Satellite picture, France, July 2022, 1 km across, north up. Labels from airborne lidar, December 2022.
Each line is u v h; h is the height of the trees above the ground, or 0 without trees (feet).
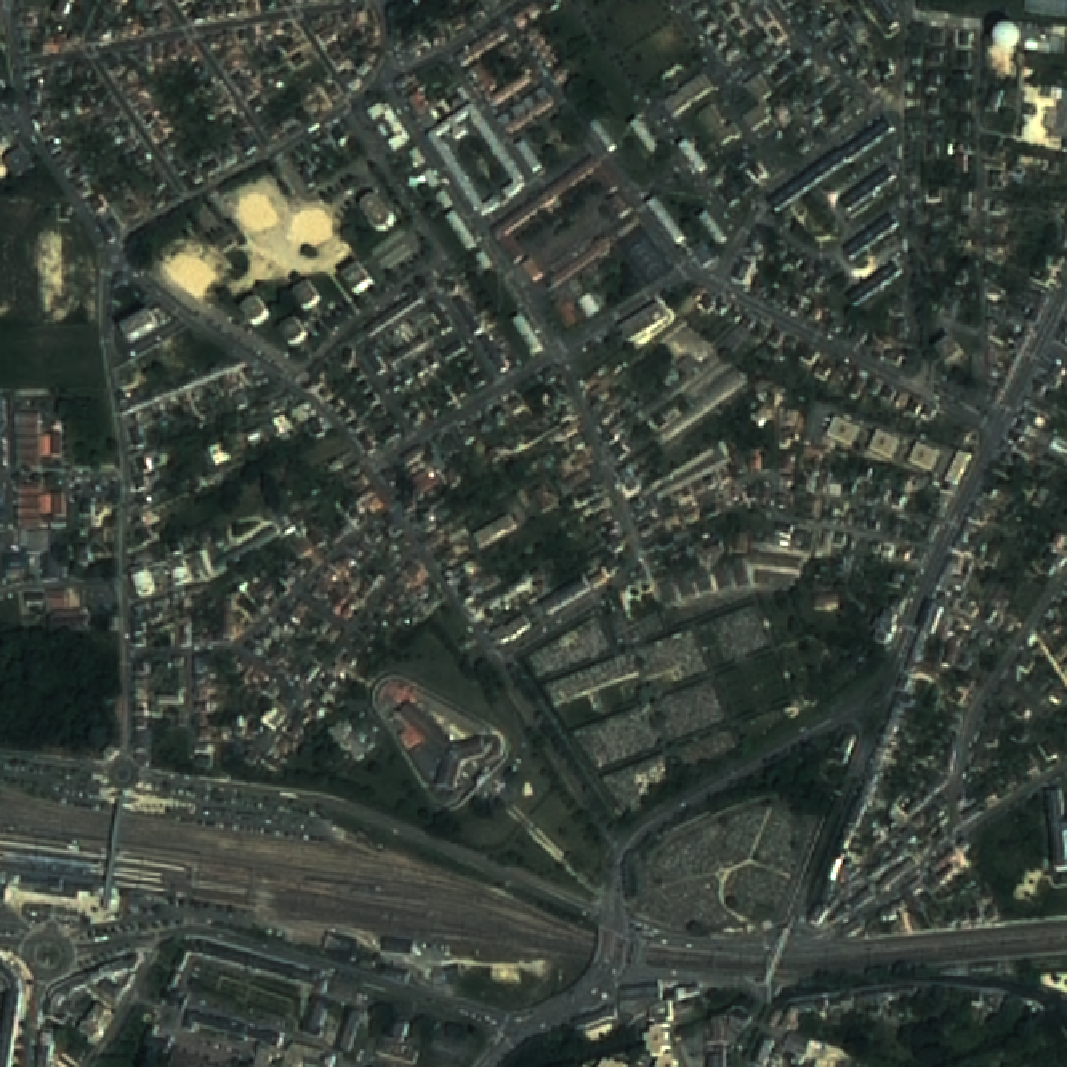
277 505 53
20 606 0
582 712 0
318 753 35
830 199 0
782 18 0
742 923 0
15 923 0
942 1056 50
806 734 0
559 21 0
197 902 18
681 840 0
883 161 0
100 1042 0
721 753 0
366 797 37
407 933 0
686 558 32
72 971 0
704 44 0
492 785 0
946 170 18
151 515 0
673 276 0
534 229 28
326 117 0
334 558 0
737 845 0
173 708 19
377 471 0
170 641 18
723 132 0
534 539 0
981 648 42
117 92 0
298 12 0
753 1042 26
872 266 0
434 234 0
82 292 0
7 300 0
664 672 0
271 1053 0
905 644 0
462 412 0
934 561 0
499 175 26
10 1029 0
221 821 0
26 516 0
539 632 0
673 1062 0
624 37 0
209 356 0
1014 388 0
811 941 0
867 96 0
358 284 0
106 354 0
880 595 22
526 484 49
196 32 0
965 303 31
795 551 0
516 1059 43
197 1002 0
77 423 51
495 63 29
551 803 0
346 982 27
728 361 49
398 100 0
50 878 0
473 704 0
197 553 27
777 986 0
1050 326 0
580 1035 49
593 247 0
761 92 0
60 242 0
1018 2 0
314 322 0
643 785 0
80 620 0
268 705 31
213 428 23
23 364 0
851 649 26
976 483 0
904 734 23
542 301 0
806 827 0
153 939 0
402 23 39
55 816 0
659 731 31
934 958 0
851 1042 38
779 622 0
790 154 0
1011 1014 66
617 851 0
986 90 23
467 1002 0
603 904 0
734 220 0
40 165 29
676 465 30
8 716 29
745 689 0
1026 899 0
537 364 0
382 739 0
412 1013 0
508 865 25
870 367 0
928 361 27
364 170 0
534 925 0
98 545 33
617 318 0
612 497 0
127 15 20
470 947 0
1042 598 0
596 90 49
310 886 0
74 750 41
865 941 0
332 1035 0
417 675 0
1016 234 20
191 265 0
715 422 26
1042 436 0
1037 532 25
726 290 0
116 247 0
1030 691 0
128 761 0
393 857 0
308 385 19
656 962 0
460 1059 0
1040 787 0
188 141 20
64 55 0
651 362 31
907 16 0
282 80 33
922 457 0
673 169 0
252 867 0
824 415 0
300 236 0
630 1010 0
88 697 62
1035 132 0
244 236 0
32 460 0
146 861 0
